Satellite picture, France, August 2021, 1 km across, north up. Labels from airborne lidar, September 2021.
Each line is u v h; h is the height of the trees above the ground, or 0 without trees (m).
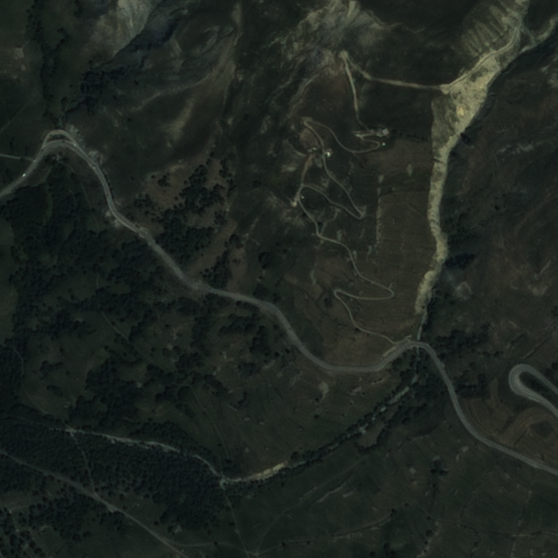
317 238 0
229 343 0
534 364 0
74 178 9
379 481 0
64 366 6
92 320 0
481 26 0
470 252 0
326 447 9
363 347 0
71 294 6
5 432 8
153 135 0
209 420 0
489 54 0
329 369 0
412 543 0
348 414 0
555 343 0
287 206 0
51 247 16
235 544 0
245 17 0
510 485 0
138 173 0
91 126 0
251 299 0
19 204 16
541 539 0
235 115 0
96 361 0
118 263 7
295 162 0
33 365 0
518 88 0
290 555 0
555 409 0
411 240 0
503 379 0
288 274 0
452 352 6
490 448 0
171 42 0
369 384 0
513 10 0
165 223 10
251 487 6
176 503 11
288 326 0
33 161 0
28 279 12
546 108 0
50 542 0
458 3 0
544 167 0
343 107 0
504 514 0
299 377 0
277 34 0
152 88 0
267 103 0
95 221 0
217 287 9
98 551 0
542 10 0
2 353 11
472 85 0
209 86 0
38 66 0
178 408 9
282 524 0
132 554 0
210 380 10
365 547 0
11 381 12
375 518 0
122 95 0
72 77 0
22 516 9
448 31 0
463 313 0
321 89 0
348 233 0
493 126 0
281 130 0
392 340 0
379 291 0
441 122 0
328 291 0
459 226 8
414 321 0
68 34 7
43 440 11
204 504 12
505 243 0
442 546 0
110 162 0
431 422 0
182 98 0
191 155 0
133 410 11
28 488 11
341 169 0
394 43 0
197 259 0
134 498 0
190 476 10
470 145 11
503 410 0
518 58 0
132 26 0
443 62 0
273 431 0
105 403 13
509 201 0
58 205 13
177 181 0
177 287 0
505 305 0
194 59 0
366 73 0
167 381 12
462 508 0
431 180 0
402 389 6
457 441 0
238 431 0
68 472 14
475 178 0
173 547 0
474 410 0
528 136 0
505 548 0
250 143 0
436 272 0
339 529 0
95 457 11
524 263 0
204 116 0
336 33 0
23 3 0
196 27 0
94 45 0
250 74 0
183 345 0
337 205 0
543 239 0
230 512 8
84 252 8
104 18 0
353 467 0
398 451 0
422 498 0
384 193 0
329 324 0
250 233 0
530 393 0
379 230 0
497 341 0
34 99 0
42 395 0
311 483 0
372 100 0
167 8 0
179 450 8
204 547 0
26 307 12
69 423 8
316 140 0
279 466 0
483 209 0
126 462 9
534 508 0
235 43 0
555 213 0
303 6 0
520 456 0
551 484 0
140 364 7
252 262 0
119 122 0
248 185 0
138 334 17
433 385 9
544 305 0
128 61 0
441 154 0
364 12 0
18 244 11
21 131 0
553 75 0
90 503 13
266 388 0
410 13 0
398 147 0
